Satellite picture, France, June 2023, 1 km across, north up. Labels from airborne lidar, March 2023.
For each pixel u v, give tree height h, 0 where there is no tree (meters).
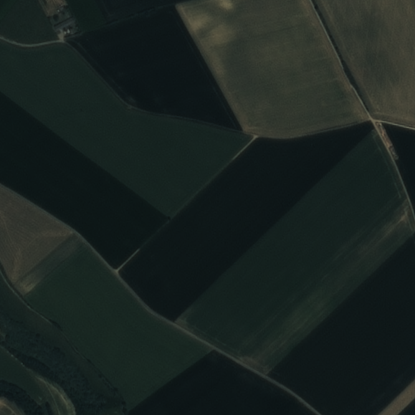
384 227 0
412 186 0
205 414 0
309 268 0
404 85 0
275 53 0
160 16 0
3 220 0
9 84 0
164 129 0
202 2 0
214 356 0
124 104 0
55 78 0
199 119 0
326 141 0
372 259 0
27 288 0
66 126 0
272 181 0
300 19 0
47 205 0
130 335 0
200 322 0
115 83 0
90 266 0
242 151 0
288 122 0
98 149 0
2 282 0
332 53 0
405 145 0
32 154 0
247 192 0
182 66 0
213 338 0
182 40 0
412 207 0
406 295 0
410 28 0
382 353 0
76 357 0
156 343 0
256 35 0
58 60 0
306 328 0
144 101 0
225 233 0
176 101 0
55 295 0
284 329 0
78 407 11
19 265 0
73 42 0
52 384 0
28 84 0
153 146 0
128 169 0
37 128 0
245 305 0
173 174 0
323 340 0
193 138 0
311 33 0
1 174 0
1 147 0
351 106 0
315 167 0
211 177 0
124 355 0
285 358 0
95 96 0
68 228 0
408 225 0
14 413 0
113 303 0
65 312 0
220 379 0
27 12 0
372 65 0
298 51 0
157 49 0
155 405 0
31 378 0
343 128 0
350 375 0
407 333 0
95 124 0
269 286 0
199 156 0
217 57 0
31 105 0
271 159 0
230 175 0
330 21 0
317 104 0
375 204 0
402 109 0
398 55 0
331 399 0
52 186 0
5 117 0
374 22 0
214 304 0
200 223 0
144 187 0
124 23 0
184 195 0
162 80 0
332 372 0
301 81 0
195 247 0
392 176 0
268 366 0
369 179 0
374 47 0
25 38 0
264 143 0
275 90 0
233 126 0
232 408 0
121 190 0
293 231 0
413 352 0
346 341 0
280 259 0
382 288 0
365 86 0
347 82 0
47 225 0
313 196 0
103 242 0
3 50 0
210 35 0
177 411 0
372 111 0
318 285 0
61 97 0
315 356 0
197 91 0
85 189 0
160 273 0
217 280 0
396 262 0
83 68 0
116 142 0
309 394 0
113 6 0
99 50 0
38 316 0
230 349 0
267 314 0
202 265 0
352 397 0
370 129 0
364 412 0
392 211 0
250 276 0
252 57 0
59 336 0
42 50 0
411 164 0
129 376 0
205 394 0
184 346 0
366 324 0
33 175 0
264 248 0
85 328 0
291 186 0
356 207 0
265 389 0
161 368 0
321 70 0
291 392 0
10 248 0
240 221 0
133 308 0
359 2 0
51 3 0
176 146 0
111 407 0
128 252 0
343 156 0
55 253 0
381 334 0
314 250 0
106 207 0
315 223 0
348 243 0
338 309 0
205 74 0
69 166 0
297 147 0
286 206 0
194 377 0
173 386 0
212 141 0
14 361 0
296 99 0
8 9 0
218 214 0
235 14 0
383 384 0
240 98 0
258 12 0
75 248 0
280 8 0
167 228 0
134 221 0
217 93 0
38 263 0
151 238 0
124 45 0
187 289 0
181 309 0
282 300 0
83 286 0
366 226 0
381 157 0
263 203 0
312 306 0
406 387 0
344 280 0
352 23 0
